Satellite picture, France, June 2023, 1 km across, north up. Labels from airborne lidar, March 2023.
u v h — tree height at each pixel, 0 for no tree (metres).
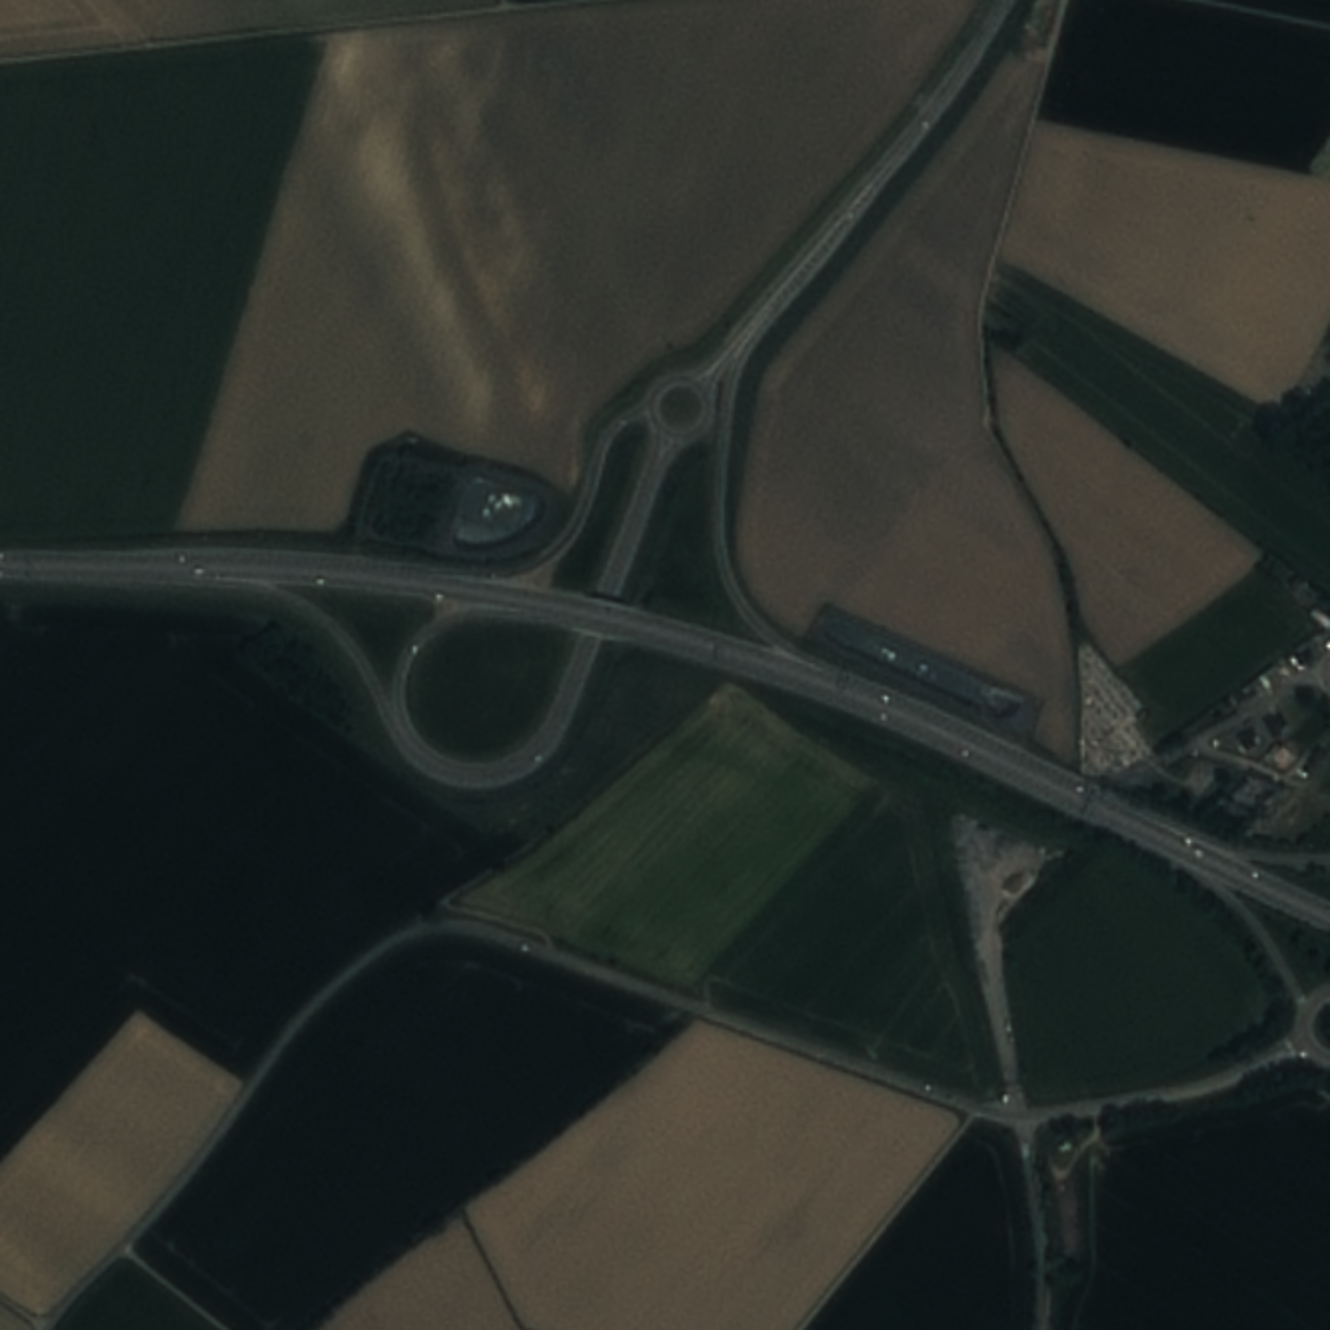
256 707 0
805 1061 0
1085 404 0
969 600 0
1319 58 0
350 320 0
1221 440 0
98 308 0
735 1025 0
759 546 0
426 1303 0
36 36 0
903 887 0
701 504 0
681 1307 0
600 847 0
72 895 0
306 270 0
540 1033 0
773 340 0
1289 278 0
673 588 0
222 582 0
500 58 0
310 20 0
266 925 0
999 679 0
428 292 0
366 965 0
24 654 0
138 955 0
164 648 0
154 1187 0
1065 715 0
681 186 0
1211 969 0
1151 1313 0
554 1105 0
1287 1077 15
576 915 0
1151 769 0
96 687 0
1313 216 0
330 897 0
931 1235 0
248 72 0
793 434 0
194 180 0
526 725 0
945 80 0
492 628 0
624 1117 0
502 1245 0
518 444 0
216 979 0
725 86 0
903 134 0
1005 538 0
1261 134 0
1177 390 0
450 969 0
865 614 0
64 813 0
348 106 0
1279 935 0
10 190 0
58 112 0
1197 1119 0
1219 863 0
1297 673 0
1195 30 0
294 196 0
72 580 0
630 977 0
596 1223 0
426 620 0
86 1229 0
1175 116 0
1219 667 0
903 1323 0
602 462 0
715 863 0
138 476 0
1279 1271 0
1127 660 0
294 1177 0
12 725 0
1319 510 0
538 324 0
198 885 0
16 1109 0
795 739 0
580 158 0
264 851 0
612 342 0
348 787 0
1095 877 0
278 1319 0
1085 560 0
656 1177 0
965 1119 0
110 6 0
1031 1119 0
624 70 0
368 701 0
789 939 0
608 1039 0
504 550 0
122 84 0
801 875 0
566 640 0
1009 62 0
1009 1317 0
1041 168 0
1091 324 0
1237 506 0
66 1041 0
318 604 0
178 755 0
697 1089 0
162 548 0
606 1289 0
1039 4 0
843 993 0
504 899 0
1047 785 0
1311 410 13
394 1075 0
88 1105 0
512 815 0
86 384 0
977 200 0
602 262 0
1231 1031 0
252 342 0
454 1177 0
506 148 0
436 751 0
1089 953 0
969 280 0
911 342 0
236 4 0
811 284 0
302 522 0
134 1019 0
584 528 0
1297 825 0
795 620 0
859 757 0
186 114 0
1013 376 0
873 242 0
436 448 0
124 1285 0
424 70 0
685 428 0
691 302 0
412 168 0
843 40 0
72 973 0
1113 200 0
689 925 0
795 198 0
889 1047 0
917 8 0
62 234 0
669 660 0
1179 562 0
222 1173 0
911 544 0
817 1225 0
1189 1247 0
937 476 0
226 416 0
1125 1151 0
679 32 0
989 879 0
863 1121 0
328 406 0
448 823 0
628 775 0
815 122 0
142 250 0
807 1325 0
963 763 0
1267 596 0
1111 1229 0
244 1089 0
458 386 0
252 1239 0
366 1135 0
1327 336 0
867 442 0
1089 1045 0
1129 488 0
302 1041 0
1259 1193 0
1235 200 0
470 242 0
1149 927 0
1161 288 0
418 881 0
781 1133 0
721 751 0
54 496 0
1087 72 0
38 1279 0
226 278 0
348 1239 0
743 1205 0
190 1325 0
